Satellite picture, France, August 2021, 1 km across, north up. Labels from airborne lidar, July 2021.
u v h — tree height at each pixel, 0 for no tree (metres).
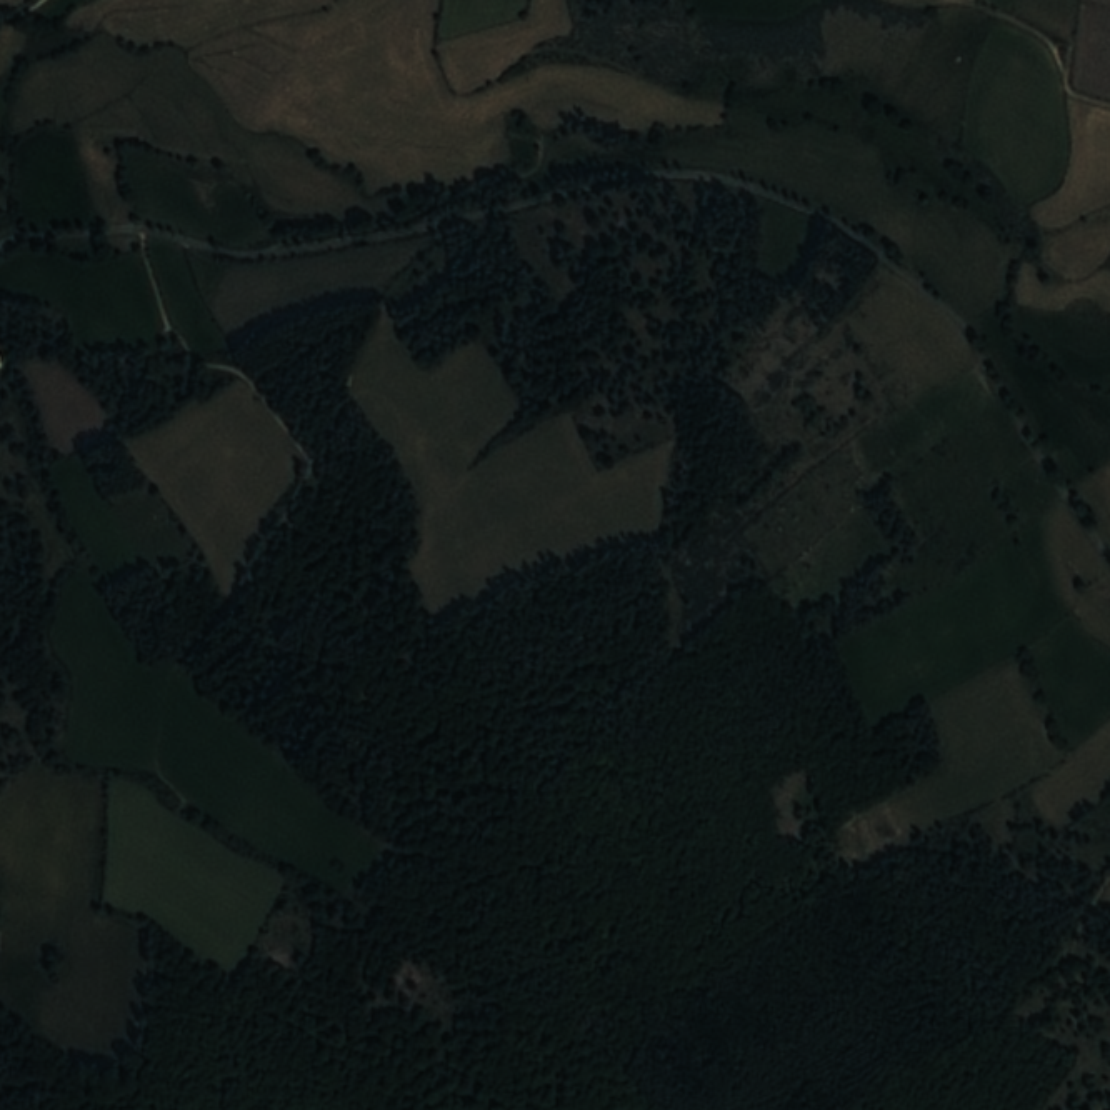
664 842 15
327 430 12
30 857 0
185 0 0
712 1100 17
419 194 18
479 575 0
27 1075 15
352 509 10
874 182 0
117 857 0
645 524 0
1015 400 17
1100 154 0
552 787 17
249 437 0
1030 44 0
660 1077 13
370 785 12
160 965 12
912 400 0
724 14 0
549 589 12
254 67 0
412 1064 12
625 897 14
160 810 0
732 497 14
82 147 0
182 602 14
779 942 15
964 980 19
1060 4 0
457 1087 12
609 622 12
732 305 18
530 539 0
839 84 13
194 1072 14
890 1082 16
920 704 14
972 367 0
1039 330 0
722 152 0
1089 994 14
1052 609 0
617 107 0
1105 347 0
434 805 11
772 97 0
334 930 8
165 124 0
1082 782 0
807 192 0
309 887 8
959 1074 14
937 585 0
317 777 16
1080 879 9
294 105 0
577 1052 13
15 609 14
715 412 16
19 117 0
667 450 0
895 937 21
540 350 17
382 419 0
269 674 8
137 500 0
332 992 9
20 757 6
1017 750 0
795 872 18
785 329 0
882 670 0
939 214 0
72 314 0
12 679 7
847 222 8
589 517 0
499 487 0
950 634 0
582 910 12
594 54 0
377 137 0
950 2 0
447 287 18
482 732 12
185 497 0
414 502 12
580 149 0
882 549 0
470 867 11
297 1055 17
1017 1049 16
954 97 0
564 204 12
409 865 14
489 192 15
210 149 0
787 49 0
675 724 19
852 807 15
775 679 15
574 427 0
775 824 16
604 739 16
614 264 10
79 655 0
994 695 0
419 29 0
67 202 0
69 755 0
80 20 0
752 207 20
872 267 22
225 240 0
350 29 0
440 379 0
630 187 17
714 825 14
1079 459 0
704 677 14
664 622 15
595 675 15
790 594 0
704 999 17
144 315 0
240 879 0
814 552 0
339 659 12
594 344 10
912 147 0
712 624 12
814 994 16
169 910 0
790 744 15
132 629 14
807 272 19
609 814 17
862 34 0
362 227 16
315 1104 15
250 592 15
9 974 0
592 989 13
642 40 0
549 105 0
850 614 18
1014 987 13
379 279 0
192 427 0
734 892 13
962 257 0
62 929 0
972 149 0
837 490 0
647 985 12
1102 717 0
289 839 0
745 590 13
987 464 0
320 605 20
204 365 16
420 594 12
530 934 10
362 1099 14
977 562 0
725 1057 14
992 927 14
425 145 0
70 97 0
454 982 12
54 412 0
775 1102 19
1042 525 0
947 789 0
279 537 11
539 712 8
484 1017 9
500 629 17
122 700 0
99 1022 0
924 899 13
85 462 20
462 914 10
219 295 0
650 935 14
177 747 0
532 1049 13
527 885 12
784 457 11
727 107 7
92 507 0
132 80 0
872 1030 13
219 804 0
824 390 0
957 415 0
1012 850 11
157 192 0
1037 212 0
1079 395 0
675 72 0
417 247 0
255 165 0
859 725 20
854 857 0
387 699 16
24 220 8
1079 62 0
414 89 0
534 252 0
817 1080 20
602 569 13
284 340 20
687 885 14
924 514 0
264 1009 12
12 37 0
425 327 15
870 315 0
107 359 12
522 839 14
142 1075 17
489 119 0
